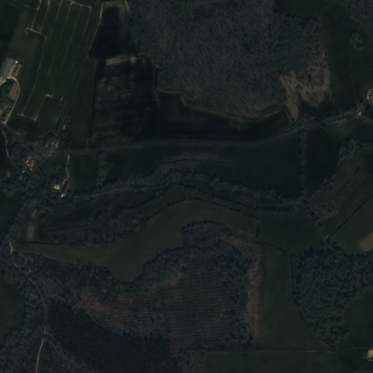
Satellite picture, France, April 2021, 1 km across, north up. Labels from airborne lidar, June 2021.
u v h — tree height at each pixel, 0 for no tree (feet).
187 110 0
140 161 0
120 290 34
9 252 62
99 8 0
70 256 0
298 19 33
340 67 0
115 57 0
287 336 0
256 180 0
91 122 0
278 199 31
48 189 63
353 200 0
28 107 0
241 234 0
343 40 0
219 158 0
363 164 0
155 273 65
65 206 47
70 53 0
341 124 0
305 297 78
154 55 54
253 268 81
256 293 0
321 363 0
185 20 56
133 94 0
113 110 0
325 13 0
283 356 0
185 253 31
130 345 45
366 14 71
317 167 0
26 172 0
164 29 71
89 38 0
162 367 39
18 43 0
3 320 0
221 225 28
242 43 65
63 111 0
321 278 73
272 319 0
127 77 0
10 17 0
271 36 52
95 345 49
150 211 0
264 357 0
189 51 67
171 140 0
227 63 55
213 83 73
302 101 0
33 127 0
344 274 51
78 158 0
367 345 0
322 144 0
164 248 0
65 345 51
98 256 0
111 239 67
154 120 0
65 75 0
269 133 0
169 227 0
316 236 0
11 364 56
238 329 33
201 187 0
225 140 0
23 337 64
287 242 0
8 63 0
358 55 0
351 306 0
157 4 52
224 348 34
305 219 0
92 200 43
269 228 0
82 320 49
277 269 0
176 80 74
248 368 0
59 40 0
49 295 39
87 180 0
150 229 0
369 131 0
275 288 0
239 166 0
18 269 35
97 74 0
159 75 63
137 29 64
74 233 0
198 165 0
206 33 64
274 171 0
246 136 0
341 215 0
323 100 0
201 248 25
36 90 0
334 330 65
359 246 0
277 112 0
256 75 70
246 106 74
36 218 0
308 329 46
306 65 58
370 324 0
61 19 0
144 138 0
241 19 60
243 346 43
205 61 68
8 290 0
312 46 50
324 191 0
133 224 0
